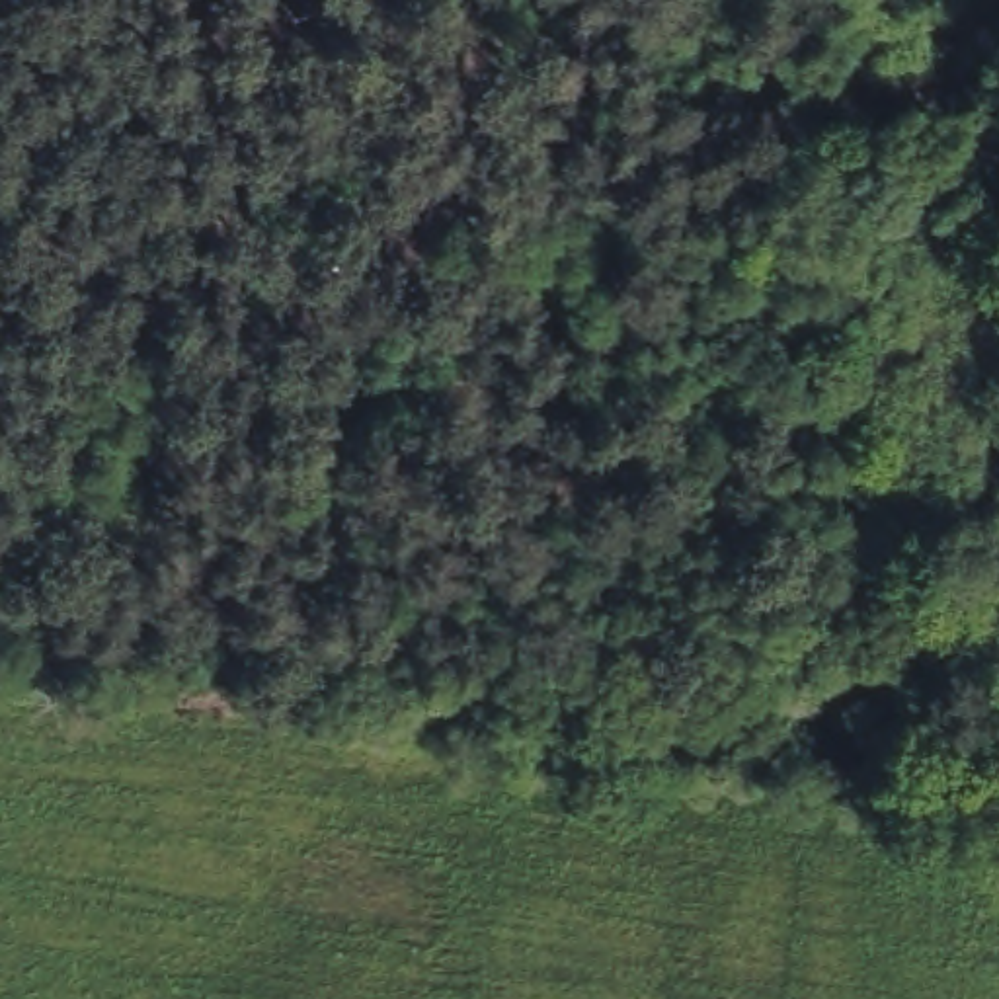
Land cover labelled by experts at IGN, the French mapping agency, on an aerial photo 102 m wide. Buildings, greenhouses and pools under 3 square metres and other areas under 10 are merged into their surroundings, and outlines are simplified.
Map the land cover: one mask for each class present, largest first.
<instances>
[{"label":"coniferous trees","instance_id":"1","mask_svg":"<svg viewBox=\"0 0 999 999\"><path fill-rule=\"evenodd\" d=\"M855 0H0V710H31L39 695H51L62 702L66 714L94 722L113 718L121 706H137L152 687L176 691L180 699H203L219 691L234 702V710L254 718L261 730L320 722L336 738L351 741L355 718L363 726H375L379 734L398 726L410 741L437 753V769H449L476 788L500 784L519 796L542 792L550 804H566L570 812L609 819L714 812L718 800L745 804L749 788H784L796 804H816L819 812H827L839 823V831L855 839H878V847L886 851H937L960 878H979L999 890V578H991L987 570H944L948 539L956 531L991 523L999 515V0H937L944 8V20L933 27V62L925 74L882 78L878 66L886 59V47L870 43L859 70L847 78L843 94L800 101L780 86V66L812 62L823 51L831 27L847 20V8ZM968 109L983 125L976 156L948 191L925 203L913 230L929 250L933 265L948 273L944 297L933 304L937 328L921 332L913 351H886L870 367L866 402L855 414H847L835 429L769 421L745 406V394L734 382L718 386L706 402H699L687 421L663 410L675 394L667 375H652L644 382L609 379L593 402L562 394V375L570 359L566 351L578 336L570 332L566 293L550 289V281L554 261L566 250L593 246V281L609 300H620L628 277L648 258H656L663 242L741 230L745 215L753 211H784L800 203L812 191L816 172L823 168L819 137L827 129H890L909 113L960 117ZM137 367H144L148 379V453L133 468L125 507L113 519H105L86 507L90 472L98 457L90 449L70 453L59 445L62 421L47 410L43 398L74 394L82 371L121 379ZM882 441L905 445V468L890 492H816V460L862 468ZM894 585L929 589L925 605L917 609V644L925 652H917L905 663L898 683L851 687L847 667H827L804 691L780 702V714H765L741 726L734 741L714 745L706 753L671 745V769L652 780H617V765H581L585 734L593 722H628L644 710L671 706L683 695L687 679L702 671L706 636L695 628L699 620L722 617L726 628L769 636L788 624L855 632L870 628L874 617L886 613V589Z\"/></svg>","mask_w":999,"mask_h":999},{"label":"agricultural land","instance_id":"2","mask_svg":"<svg viewBox=\"0 0 999 999\"><path fill-rule=\"evenodd\" d=\"M0 999H999V890L979 878H960L937 851H886L878 847V839H855L839 831V823L827 812H819L816 804H796L784 788H749L745 804L718 800L714 812L609 819L570 812L566 804H550L542 792L519 796L500 784L476 788L449 769H437V753L410 741L398 726L379 734L375 726H363L355 718L351 741L336 738L320 722L261 730L254 718L234 710V702L219 691L203 699H180L176 691L152 687L137 706H121L113 718L94 722L66 714L62 702L51 695H39L31 710H0Z\"/></svg>","mask_w":999,"mask_h":999},{"label":"deciduous trees","instance_id":"3","mask_svg":"<svg viewBox=\"0 0 999 999\"><path fill-rule=\"evenodd\" d=\"M944 20V8L937 0H855L847 8V20L831 27L823 51L812 62L780 66V86L800 101L843 94L847 78L859 70L870 43L886 47V59L878 66L882 78L925 74L933 62V27ZM983 125L968 109L960 117L909 113L890 129H827L819 137L823 168L816 172L812 191L800 203L784 211H753L745 215L741 230L663 242L656 258H648L628 277L620 300H609L593 281V246L566 250L554 261L550 281V289L566 293L570 332L578 336L566 351L570 359L562 375V394L593 402L609 379L644 382L652 375H667L675 394L663 410L687 421L699 402H706L718 386L734 382L745 394V406L769 421L835 429L847 414H855L866 402L870 367L886 351H913L921 332L937 328L933 304L944 297L948 273L933 265L929 250L913 230L925 203L948 191L976 156ZM47 410L62 421L59 445L70 453L90 449L98 457L90 472L86 507L105 519H113L125 507L133 468L148 453V379L144 367H137L121 379L82 371L74 394L43 398ZM905 468V445L882 441L862 468L816 460V492H890ZM987 570L991 578H999V515L991 523L956 531L948 539L944 570ZM929 589L894 585L886 589V613L874 617L870 628L855 632L788 624L769 636L726 628L722 617L699 620L695 628L706 636L702 671L687 679L683 695L671 706L644 710L628 722H593L585 734L581 765H617V780H652L671 769V745L706 753L714 745L734 741L741 726L765 714H780V702L804 691L827 667H847L851 687L898 683L905 663L917 652H925L917 644V609L925 605Z\"/></svg>","mask_w":999,"mask_h":999}]
</instances>
